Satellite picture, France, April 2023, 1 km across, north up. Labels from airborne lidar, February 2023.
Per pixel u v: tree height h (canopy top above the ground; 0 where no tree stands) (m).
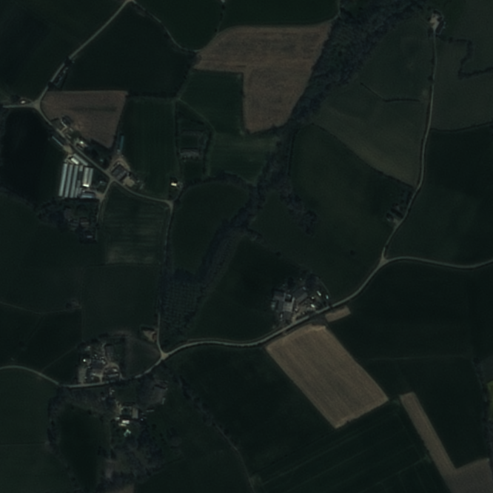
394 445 0
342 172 0
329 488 0
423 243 0
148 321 0
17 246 0
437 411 0
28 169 0
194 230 0
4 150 0
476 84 0
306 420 0
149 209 0
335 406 0
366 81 0
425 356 0
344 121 0
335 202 0
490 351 0
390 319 0
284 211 0
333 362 0
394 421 0
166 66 0
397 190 0
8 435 0
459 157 0
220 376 0
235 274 0
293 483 0
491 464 10
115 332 0
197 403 13
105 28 0
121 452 12
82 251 0
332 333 0
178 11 0
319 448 0
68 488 0
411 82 0
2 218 0
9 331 0
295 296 0
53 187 0
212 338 0
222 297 0
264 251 0
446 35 0
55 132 14
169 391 0
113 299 0
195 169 0
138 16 0
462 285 0
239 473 0
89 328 0
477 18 0
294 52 0
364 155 0
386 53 0
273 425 0
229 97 0
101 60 0
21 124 0
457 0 0
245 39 0
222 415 0
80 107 0
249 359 0
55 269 0
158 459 23
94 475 0
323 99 15
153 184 0
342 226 0
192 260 0
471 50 13
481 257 0
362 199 0
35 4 0
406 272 0
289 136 0
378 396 0
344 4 11
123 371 14
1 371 0
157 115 0
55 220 16
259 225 0
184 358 0
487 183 0
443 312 0
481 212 0
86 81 0
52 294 0
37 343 0
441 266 0
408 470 0
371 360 0
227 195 0
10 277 0
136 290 0
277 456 0
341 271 0
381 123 0
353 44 23
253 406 0
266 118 0
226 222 0
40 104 0
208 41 0
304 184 0
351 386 0
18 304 0
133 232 0
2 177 0
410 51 0
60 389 13
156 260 0
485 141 0
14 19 0
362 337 0
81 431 0
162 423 0
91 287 0
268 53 0
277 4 0
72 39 0
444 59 0
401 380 0
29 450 0
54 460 0
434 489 0
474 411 0
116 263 0
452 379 0
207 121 0
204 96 0
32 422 0
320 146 0
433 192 0
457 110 0
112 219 0
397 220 0
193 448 0
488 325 0
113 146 8
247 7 0
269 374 0
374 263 0
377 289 0
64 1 0
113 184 0
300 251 0
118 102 0
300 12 0
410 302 0
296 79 0
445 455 0
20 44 0
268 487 0
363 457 0
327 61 13
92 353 0
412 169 0
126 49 0
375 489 0
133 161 0
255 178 0
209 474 0
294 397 0
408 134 0
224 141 0
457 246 0
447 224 0
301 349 0
